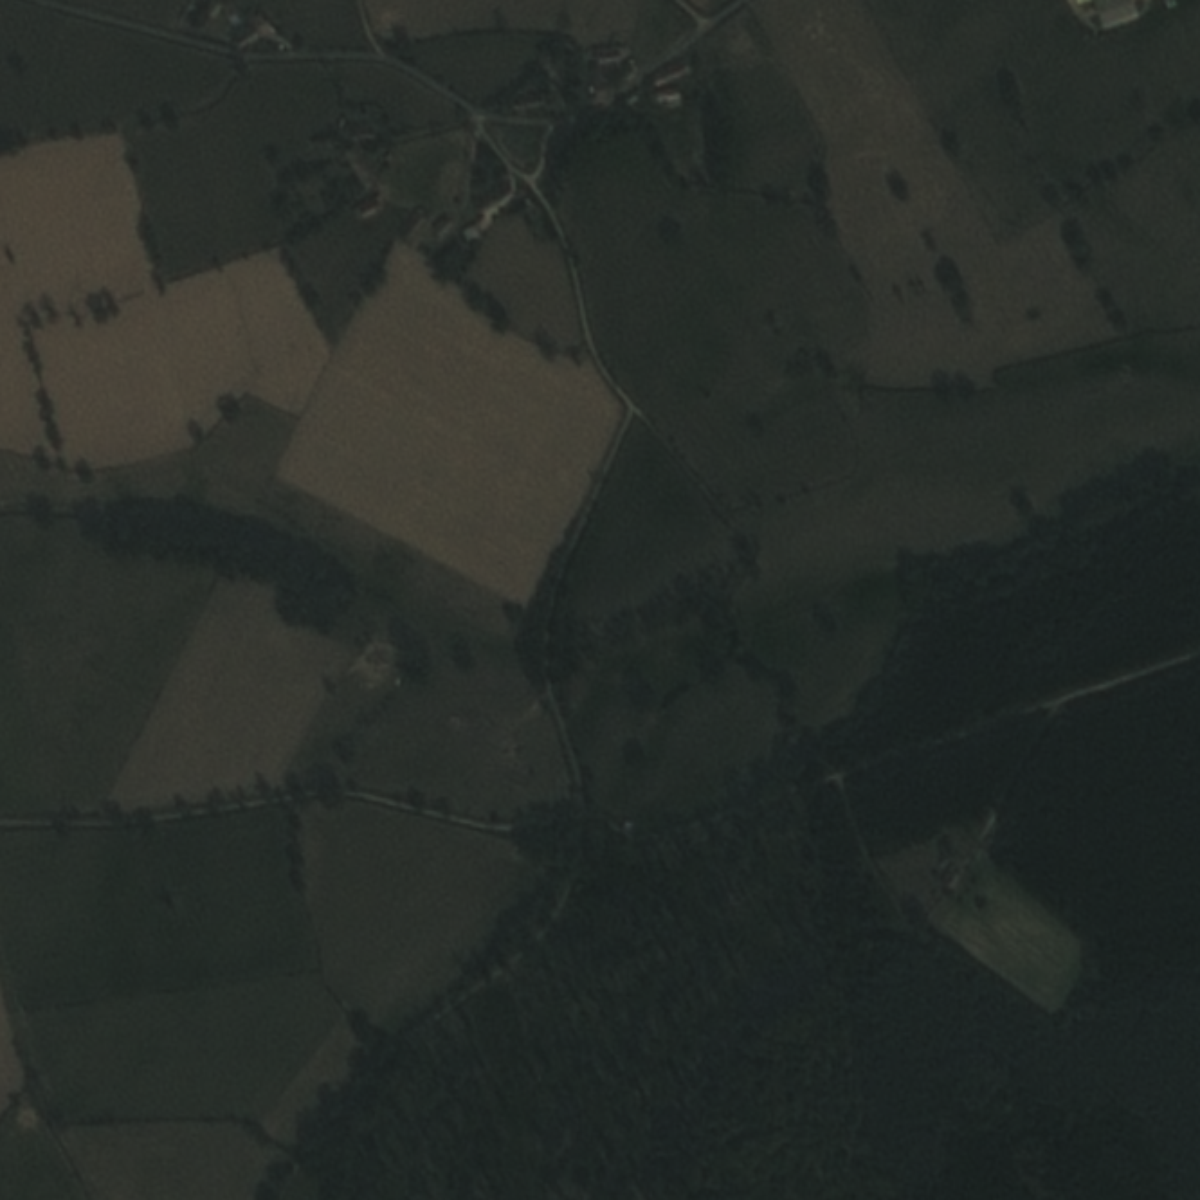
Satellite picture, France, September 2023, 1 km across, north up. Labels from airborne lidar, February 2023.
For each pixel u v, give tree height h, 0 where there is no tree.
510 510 0
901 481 0
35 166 0
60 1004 0
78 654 0
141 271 0
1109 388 0
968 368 0
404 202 0
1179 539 8
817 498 0
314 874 0
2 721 0
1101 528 7
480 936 0
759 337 0
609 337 0
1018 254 0
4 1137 0
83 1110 0
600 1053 0
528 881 0
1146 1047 13
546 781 0
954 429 0
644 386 0
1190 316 0
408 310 0
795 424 0
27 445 0
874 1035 14
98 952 0
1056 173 0
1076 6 0
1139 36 0
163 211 0
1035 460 0
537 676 8
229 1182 0
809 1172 24
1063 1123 6
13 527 0
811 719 0
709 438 0
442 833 0
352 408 0
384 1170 25
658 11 0
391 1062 21
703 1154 22
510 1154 0
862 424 0
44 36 0
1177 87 0
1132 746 8
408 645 19
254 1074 0
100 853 0
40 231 0
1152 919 8
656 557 0
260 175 0
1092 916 10
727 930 31
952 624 12
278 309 0
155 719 0
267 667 0
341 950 0
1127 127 0
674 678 0
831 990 20
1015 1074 14
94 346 0
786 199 13
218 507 0
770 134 0
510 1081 30
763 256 0
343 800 11
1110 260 0
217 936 0
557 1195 30
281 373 0
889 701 11
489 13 0
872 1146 14
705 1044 26
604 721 0
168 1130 0
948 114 0
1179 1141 11
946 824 11
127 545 20
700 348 0
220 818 11
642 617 16
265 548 24
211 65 0
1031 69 0
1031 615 12
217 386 0
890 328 0
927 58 0
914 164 0
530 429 0
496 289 0
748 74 0
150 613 0
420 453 0
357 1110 28
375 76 0
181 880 0
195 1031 0
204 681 0
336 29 0
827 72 0
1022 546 9
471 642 0
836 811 7
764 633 0
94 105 0
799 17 0
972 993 13
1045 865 10
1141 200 0
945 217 0
